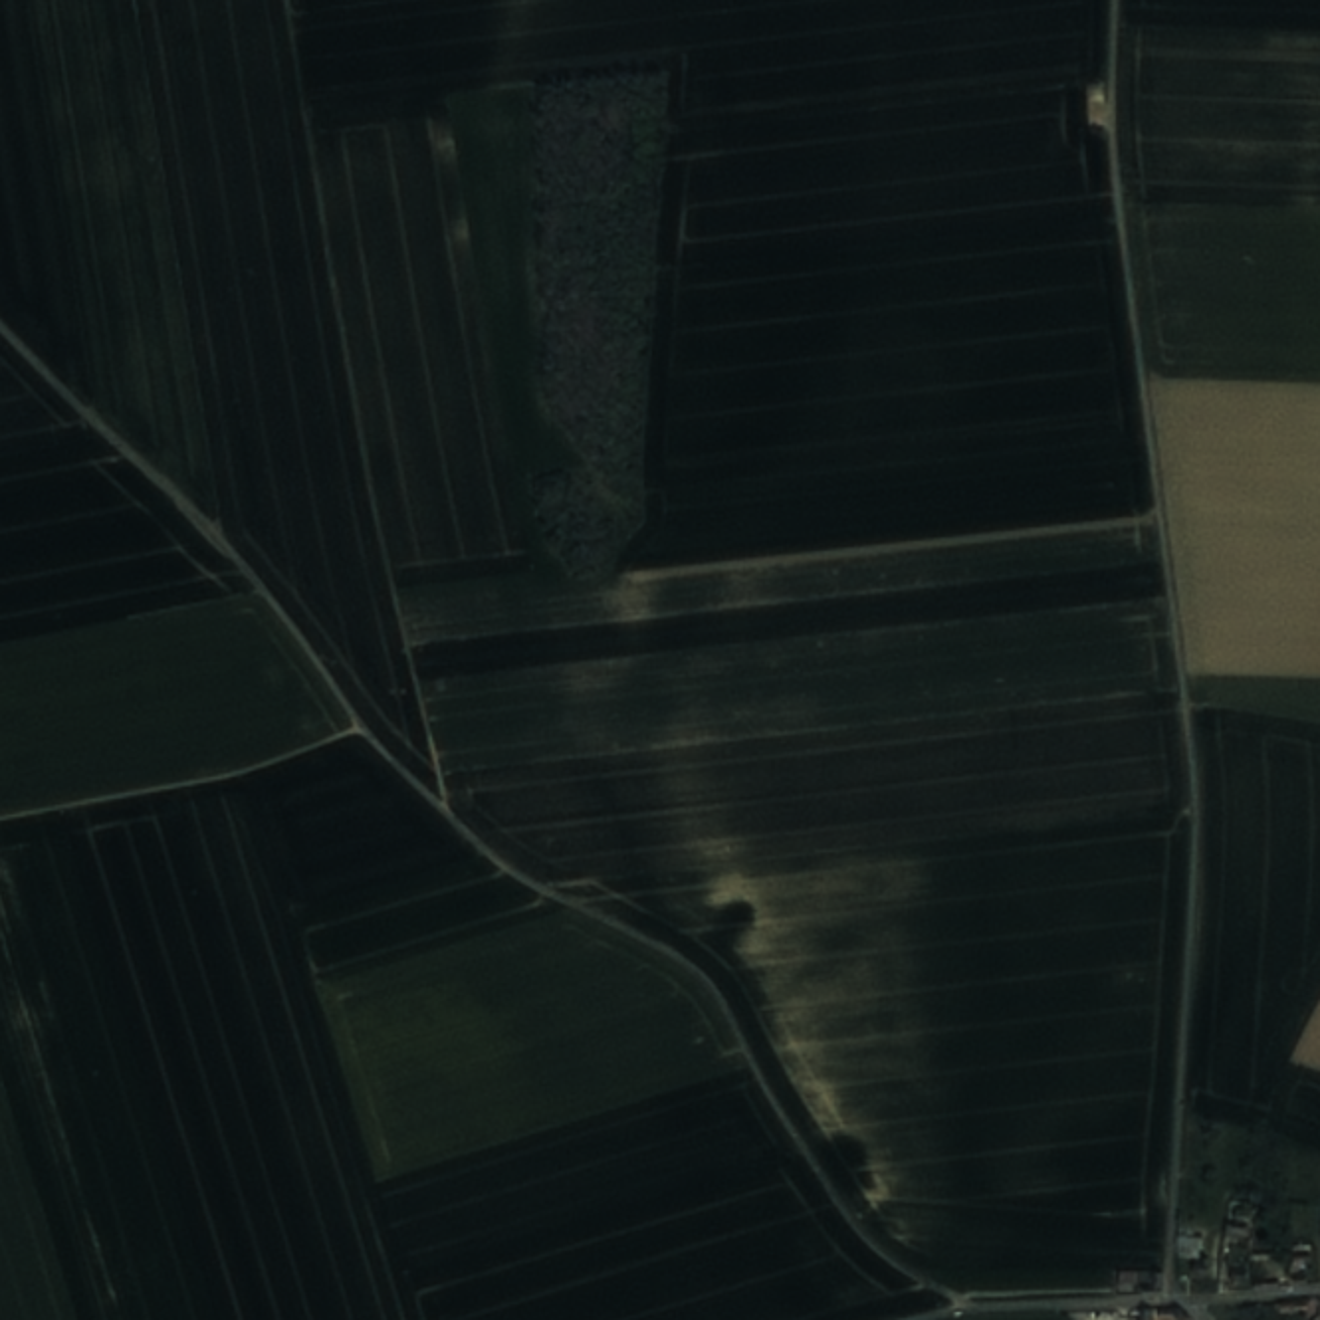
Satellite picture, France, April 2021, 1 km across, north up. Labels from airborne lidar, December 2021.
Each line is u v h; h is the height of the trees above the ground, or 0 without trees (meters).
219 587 0
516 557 0
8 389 0
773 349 0
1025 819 0
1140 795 0
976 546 0
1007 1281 0
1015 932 0
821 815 0
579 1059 0
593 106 17
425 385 0
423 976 0
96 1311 0
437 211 0
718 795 0
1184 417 0
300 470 0
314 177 0
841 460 0
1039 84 0
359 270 0
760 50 0
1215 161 0
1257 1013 0
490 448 0
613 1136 0
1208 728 0
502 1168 0
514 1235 0
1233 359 0
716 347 0
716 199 0
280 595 0
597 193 22
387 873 0
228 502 0
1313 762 0
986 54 0
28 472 0
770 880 0
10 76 0
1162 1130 0
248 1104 0
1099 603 0
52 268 0
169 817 0
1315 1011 0
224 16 0
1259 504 0
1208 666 0
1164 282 0
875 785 0
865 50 0
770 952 0
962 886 0
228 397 0
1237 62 0
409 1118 0
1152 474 0
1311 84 0
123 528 0
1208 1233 0
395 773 0
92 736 0
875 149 0
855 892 0
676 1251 0
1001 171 0
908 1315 0
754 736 0
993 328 0
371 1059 0
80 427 0
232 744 0
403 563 0
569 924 0
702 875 0
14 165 0
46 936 0
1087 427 0
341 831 0
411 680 0
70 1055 0
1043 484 0
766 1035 0
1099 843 0
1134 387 0
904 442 0
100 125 0
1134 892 0
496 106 0
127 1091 0
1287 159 0
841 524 0
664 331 0
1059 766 0
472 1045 0
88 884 0
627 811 0
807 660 0
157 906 0
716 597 0
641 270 16
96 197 0
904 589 0
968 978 0
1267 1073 0
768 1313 0
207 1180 0
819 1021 0
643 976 0
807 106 0
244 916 0
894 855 0
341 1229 0
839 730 0
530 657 0
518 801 0
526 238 0
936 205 0
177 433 0
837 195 0
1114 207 0
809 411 0
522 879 0
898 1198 0
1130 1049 0
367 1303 0
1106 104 0
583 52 0
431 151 0
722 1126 0
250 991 0
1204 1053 0
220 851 0
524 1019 0
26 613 0
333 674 0
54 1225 0
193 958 0
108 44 0
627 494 12
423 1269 0
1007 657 0
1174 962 0
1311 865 0
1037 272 0
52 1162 0
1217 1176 8
